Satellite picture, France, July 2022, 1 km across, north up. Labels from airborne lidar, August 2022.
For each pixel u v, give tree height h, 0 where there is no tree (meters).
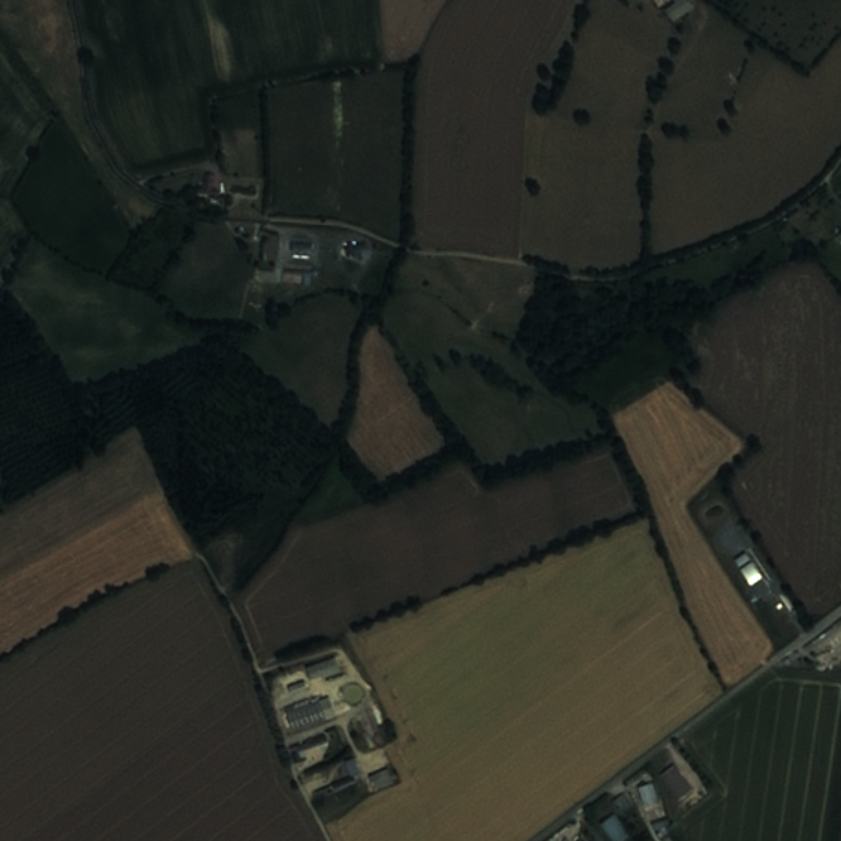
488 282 0
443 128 0
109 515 0
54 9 0
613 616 0
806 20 0
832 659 0
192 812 0
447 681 0
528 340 20
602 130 0
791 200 8
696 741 0
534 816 0
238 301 0
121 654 0
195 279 0
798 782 0
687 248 9
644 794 0
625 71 0
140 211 0
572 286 9
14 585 0
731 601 0
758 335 0
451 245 0
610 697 0
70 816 0
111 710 0
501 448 0
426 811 0
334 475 0
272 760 0
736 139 0
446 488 0
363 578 0
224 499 13
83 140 0
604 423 14
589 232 0
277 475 10
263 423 23
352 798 0
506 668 0
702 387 0
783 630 0
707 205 0
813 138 0
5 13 0
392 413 0
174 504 15
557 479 0
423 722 0
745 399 0
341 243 0
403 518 0
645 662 0
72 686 0
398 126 0
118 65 0
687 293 6
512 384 31
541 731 0
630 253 0
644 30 0
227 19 0
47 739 0
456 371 0
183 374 15
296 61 0
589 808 9
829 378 0
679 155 0
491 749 0
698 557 0
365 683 0
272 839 0
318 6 0
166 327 0
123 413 16
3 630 0
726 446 0
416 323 0
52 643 0
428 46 0
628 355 0
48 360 15
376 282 0
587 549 0
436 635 0
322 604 0
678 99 0
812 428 0
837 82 0
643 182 14
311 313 0
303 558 0
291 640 0
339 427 12
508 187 0
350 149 0
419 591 0
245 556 0
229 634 0
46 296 0
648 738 0
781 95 0
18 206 6
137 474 0
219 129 8
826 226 0
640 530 0
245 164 0
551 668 0
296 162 0
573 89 0
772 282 0
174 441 12
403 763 0
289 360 0
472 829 0
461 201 0
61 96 0
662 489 0
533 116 0
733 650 0
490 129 0
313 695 0
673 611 0
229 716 0
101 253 0
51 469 13
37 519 0
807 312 0
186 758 0
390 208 0
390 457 0
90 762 0
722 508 0
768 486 0
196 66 0
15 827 0
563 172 0
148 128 0
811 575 0
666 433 0
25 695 0
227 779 0
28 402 19
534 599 0
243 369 17
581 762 0
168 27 0
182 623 0
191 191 12
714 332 0
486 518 0
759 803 0
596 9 0
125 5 0
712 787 7
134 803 0
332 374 0
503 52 0
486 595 0
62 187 0
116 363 0
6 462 15
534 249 0
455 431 17
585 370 18
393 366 0
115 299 0
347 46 0
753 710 0
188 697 0
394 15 0
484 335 0
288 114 0
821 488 0
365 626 9
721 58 0
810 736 0
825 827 0
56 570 0
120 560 0
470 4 0
